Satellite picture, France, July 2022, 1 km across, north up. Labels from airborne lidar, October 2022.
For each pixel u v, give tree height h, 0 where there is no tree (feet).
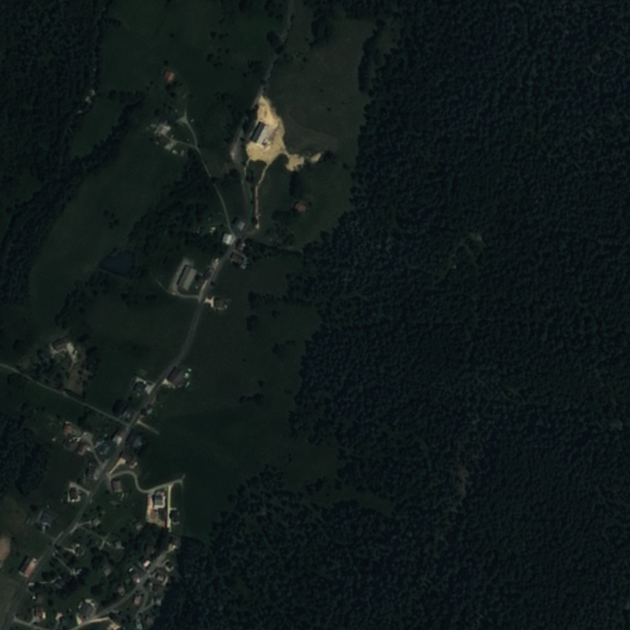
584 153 93
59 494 0
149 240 45
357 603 28
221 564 73
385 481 30
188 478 0
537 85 106
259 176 0
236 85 0
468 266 37
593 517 101
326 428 86
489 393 99
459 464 44
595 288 86
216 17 0
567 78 83
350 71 0
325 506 0
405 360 66
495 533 80
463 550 80
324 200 0
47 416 0
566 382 71
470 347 53
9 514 0
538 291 95
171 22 0
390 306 52
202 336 0
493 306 73
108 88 0
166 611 66
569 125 86
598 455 118
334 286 57
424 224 123
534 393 100
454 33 87
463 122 109
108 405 0
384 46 0
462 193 111
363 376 72
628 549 94
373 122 52
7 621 0
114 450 0
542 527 89
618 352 99
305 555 52
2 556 0
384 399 82
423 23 37
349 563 86
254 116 61
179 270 0
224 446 0
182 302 0
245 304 0
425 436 59
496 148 102
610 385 68
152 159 0
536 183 97
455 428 61
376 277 39
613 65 118
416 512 56
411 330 80
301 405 69
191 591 102
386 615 116
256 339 0
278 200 0
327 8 28
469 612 96
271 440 0
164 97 0
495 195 76
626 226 89
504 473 95
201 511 0
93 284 18
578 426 94
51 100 50
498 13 75
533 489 112
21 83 49
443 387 80
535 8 106
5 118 61
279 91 0
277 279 0
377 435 82
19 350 50
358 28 0
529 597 98
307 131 0
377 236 46
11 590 0
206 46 0
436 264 75
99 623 0
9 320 0
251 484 58
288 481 0
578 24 36
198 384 0
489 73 56
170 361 0
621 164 102
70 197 64
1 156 28
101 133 0
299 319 0
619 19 81
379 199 86
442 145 84
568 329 82
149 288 0
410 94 86
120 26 69
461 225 91
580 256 77
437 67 76
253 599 20
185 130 0
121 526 0
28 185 0
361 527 39
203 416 0
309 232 0
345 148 0
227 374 0
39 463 94
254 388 0
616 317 86
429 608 66
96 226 0
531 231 96
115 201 0
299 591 51
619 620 48
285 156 0
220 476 0
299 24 0
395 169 105
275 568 60
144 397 0
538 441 113
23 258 73
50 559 0
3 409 0
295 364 0
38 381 38
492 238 51
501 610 95
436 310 82
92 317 0
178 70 0
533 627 90
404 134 105
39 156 79
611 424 72
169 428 0
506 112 106
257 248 38
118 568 41
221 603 111
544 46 119
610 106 73
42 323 0
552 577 96
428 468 100
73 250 0
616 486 99
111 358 0
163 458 0
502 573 100
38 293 0
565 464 101
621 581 60
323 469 0
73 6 82
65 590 29
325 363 62
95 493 0
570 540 112
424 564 97
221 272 0
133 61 0
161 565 0
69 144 67
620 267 120
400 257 123
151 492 0
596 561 68
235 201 0
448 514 26
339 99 0
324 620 89
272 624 65
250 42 0
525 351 84
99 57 41
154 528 35
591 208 110
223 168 0
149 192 0
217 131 0
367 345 64
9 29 70
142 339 0
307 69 0
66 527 0
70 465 0
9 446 104
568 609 90
